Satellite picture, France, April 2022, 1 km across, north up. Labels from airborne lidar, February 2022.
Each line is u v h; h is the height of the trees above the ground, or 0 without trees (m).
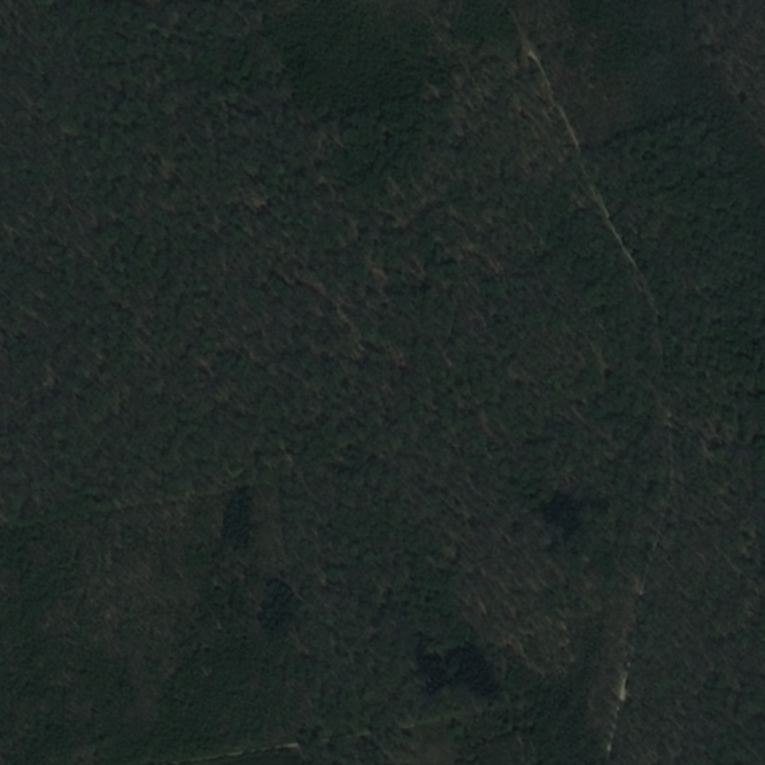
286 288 30
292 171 30
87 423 28
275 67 30
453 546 27
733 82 27
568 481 27
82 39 31
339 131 31
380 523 28
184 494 23
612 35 20
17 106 29
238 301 30
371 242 27
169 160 32
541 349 29
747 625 30
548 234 28
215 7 31
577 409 26
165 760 14
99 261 30
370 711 23
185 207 25
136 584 22
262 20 28
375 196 30
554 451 28
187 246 24
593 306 31
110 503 24
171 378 24
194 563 19
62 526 19
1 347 27
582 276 30
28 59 29
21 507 26
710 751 31
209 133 33
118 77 28
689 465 28
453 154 28
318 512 28
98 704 19
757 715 32
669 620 26
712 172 26
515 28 15
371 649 28
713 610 26
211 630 15
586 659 21
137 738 19
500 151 26
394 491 28
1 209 27
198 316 31
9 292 28
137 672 21
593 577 27
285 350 31
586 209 27
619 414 22
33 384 27
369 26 19
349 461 27
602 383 28
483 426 31
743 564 27
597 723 0
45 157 31
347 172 28
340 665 28
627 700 0
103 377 27
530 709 9
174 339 29
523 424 28
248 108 27
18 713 22
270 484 24
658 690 27
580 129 12
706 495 31
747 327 24
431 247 23
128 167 33
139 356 27
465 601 31
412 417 31
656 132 24
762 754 32
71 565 16
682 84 18
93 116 31
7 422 27
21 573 17
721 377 27
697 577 26
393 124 26
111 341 26
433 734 0
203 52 31
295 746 0
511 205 25
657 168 29
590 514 27
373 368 31
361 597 30
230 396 30
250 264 28
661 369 24
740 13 28
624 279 24
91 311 25
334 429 32
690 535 30
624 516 28
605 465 27
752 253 18
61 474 28
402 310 30
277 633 25
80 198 29
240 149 32
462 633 22
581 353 26
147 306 28
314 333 28
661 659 29
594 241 23
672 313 28
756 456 30
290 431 29
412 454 30
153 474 29
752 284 26
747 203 24
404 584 33
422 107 22
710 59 25
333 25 16
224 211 28
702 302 26
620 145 25
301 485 27
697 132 29
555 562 31
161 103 27
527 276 28
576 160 25
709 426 29
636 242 26
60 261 27
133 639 20
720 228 27
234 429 30
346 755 25
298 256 31
